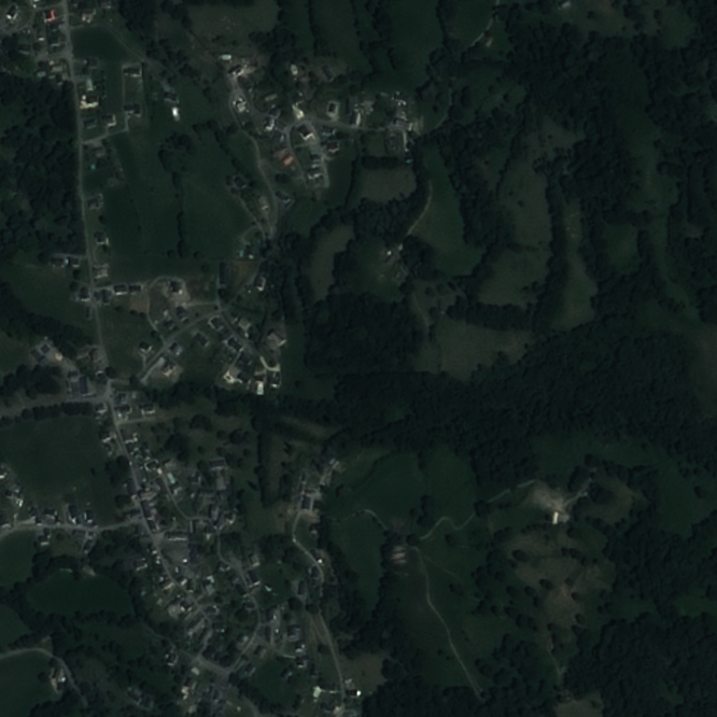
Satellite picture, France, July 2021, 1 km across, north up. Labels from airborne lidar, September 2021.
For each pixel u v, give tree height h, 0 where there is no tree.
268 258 18
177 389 6
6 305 29
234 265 0
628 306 7
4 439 0
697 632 20
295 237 14
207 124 7
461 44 18
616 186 18
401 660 22
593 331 18
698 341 0
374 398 16
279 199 0
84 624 10
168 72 7
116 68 0
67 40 0
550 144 0
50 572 9
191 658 0
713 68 16
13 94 18
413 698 22
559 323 0
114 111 0
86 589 0
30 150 10
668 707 17
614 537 14
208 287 0
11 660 0
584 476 16
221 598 9
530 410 23
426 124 0
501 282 0
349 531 0
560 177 7
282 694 0
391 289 0
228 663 16
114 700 8
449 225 0
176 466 0
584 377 13
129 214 0
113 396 0
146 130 0
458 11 11
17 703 0
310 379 0
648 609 0
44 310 0
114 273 0
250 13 0
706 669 18
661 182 0
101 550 14
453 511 0
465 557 0
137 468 0
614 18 0
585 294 0
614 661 21
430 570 0
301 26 0
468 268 0
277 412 12
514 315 23
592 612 0
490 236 12
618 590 14
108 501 0
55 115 20
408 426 22
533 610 0
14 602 15
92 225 0
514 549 0
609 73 11
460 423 27
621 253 0
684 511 0
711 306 22
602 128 22
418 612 0
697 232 0
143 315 10
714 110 0
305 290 20
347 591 11
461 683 0
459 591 14
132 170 0
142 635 0
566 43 11
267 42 7
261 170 0
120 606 0
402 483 0
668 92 21
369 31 0
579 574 0
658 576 22
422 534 0
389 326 27
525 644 13
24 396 0
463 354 0
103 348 0
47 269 0
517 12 21
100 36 0
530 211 0
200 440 0
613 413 19
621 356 21
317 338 11
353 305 23
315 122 0
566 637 0
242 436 17
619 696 12
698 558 23
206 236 0
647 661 21
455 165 9
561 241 19
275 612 0
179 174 11
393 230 20
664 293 12
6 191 19
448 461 0
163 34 0
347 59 0
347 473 0
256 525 0
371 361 10
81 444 0
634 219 25
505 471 26
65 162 22
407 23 0
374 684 0
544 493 0
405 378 15
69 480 0
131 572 8
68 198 19
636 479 26
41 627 21
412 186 0
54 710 21
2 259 22
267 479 9
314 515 0
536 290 9
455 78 15
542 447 0
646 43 20
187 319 6
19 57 8
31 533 0
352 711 0
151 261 0
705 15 12
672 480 0
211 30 0
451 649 0
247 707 0
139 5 12
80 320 0
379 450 0
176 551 0
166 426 8
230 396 23
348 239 0
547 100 16
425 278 20
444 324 0
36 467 0
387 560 12
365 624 15
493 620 0
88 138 0
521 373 8
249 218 0
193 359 0
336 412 17
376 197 0
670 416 21
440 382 22
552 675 0
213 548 11
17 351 0
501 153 0
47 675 12
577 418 27
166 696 16
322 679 7
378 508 0
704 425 16
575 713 0
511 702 18
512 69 19
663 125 18
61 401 0
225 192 0
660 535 17
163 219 0
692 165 16
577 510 14
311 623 0
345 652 6
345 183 0
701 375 0
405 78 0
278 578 0
